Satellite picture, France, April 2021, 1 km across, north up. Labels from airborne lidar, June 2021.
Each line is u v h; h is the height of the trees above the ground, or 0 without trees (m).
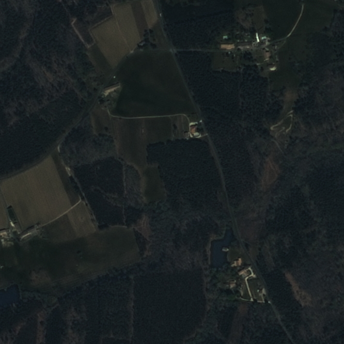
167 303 15
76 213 0
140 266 11
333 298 10
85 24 12
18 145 16
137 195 17
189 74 13
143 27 0
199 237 18
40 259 0
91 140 17
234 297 15
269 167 0
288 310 18
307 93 10
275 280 19
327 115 16
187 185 17
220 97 14
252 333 20
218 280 17
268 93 8
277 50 0
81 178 10
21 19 21
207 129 19
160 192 0
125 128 0
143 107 0
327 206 20
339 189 15
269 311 19
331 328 12
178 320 15
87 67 19
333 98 10
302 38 0
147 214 8
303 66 0
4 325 14
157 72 0
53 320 12
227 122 15
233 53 7
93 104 0
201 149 14
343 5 18
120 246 0
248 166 21
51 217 0
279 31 0
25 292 13
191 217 6
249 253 9
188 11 0
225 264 8
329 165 11
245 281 0
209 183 16
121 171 8
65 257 0
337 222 16
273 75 0
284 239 14
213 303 12
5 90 17
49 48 24
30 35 7
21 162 15
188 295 16
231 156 19
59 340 11
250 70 17
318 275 13
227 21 11
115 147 16
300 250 13
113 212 10
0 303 0
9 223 0
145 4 0
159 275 14
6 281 0
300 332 18
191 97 0
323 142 20
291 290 18
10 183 0
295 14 0
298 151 21
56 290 10
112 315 11
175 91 0
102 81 0
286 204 13
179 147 14
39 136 14
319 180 19
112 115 0
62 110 9
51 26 20
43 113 10
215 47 6
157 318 15
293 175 19
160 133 0
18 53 9
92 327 17
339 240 21
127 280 24
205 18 13
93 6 14
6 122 7
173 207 11
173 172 14
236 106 15
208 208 19
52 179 0
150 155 14
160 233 7
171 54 0
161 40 0
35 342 11
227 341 11
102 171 9
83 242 0
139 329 16
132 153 0
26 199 0
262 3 0
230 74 11
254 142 19
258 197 18
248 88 18
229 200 8
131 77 0
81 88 12
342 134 11
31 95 11
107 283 24
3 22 14
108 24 0
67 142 17
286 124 0
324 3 0
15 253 0
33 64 12
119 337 22
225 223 16
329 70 10
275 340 22
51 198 0
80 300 18
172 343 16
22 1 14
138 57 0
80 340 12
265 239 11
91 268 0
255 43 0
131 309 14
